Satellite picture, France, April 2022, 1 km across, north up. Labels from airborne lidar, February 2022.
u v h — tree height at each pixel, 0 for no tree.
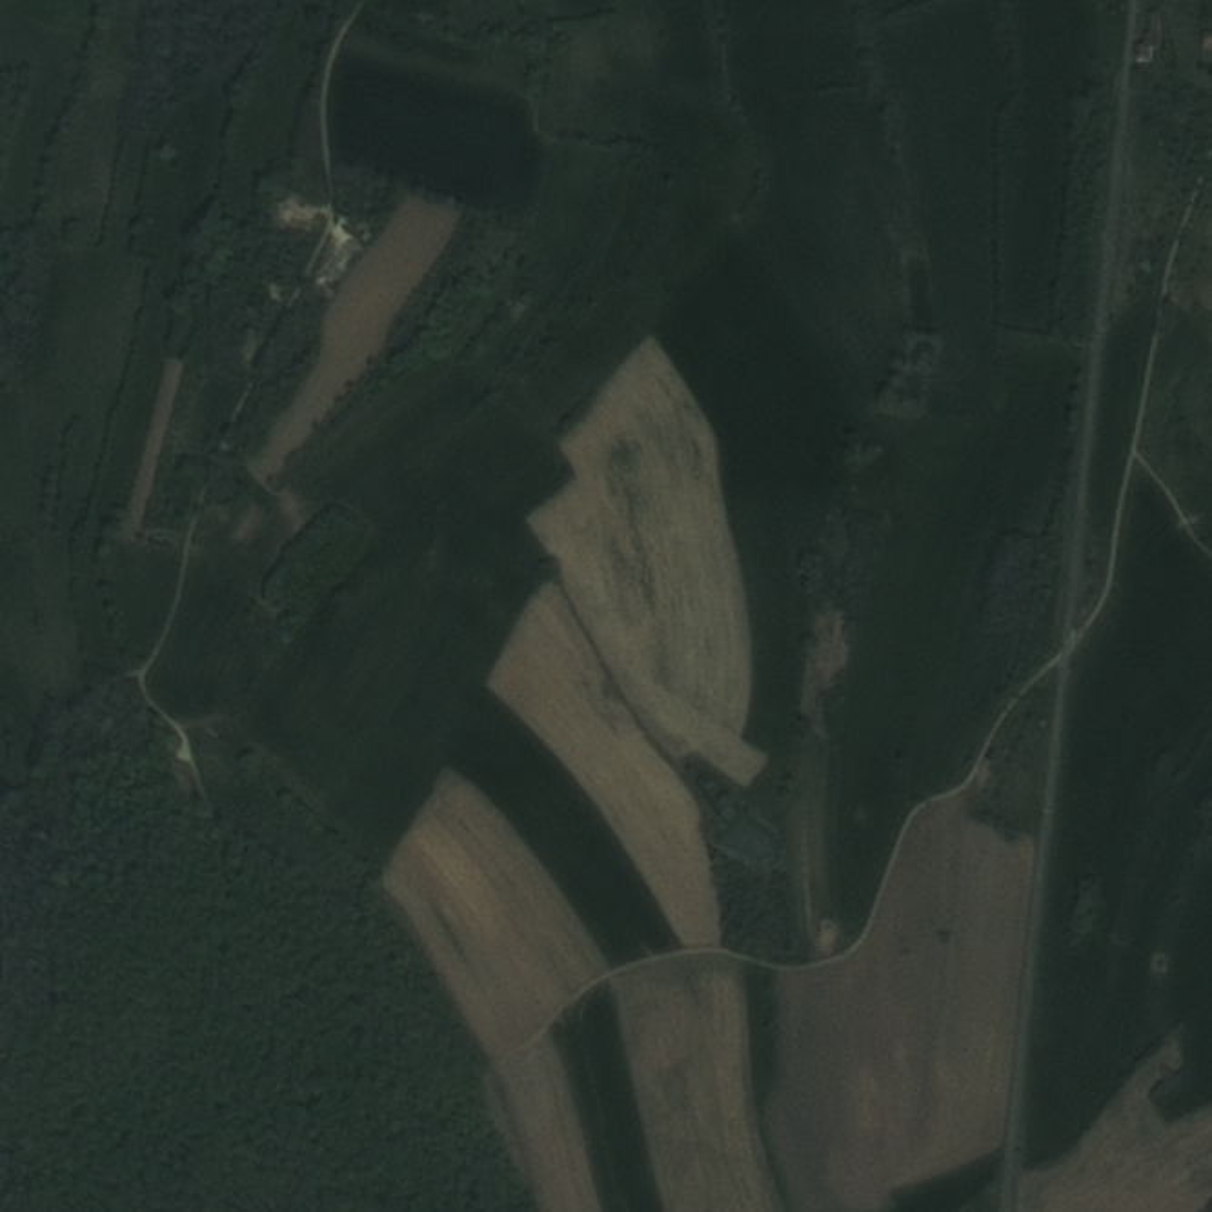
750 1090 0
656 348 0
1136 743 0
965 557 0
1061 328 7
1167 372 0
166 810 15
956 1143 0
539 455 0
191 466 13
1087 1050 0
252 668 0
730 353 0
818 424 0
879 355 0
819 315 0
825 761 0
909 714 0
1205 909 0
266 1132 24
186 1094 22
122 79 0
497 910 0
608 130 0
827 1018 0
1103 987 0
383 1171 25
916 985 0
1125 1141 0
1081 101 13
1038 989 0
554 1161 0
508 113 0
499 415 0
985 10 0
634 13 0
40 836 14
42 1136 25
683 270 0
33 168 0
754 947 11
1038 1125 0
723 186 0
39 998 22
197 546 0
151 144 6
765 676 0
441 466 0
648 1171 0
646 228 0
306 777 0
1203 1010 0
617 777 0
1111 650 0
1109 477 0
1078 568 0
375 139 0
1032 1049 0
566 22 8
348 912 21
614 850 0
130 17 0
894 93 7
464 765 0
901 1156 0
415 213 0
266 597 8
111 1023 23
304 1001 22
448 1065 21
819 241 0
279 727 0
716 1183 0
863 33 14
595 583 0
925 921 0
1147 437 0
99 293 0
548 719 0
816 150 0
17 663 0
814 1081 0
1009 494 0
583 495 0
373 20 0
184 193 0
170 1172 25
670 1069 0
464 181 0
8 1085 20
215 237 18
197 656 0
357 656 0
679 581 0
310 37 0
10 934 26
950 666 0
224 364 17
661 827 0
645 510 0
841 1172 0
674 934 0
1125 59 0
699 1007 0
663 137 0
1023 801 0
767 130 0
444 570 0
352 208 14
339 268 0
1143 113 0
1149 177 0
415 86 0
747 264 0
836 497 0
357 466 0
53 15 0
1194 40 0
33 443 0
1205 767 0
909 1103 0
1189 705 0
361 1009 22
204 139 0
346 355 0
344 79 0
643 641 0
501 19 0
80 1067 22
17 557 0
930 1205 0
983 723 0
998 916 0
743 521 0
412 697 0
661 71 0
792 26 0
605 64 0
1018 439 0
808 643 9
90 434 0
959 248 0
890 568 0
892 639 0
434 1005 21
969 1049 0
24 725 0
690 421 0
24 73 8
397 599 0
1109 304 0
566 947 0
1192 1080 0
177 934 23
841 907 0
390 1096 21
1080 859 0
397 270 0
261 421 17
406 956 21
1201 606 0
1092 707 0
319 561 18
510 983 0
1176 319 17
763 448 0
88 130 0
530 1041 0
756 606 0
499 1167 20
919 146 0
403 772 0
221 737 0
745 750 0
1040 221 0
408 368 15
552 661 0
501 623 0
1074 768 0
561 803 0
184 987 25
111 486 0
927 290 0
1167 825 0
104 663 0
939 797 0
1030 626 14
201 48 23
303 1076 25
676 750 0
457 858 0
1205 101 10
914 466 0
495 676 0
